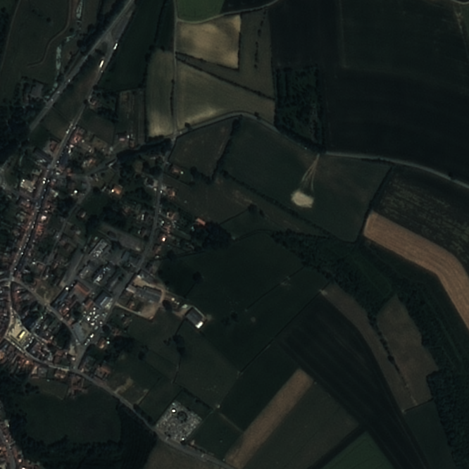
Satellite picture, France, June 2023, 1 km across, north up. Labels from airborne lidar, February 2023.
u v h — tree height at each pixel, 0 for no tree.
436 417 0
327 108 0
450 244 0
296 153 0
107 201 0
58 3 0
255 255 0
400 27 0
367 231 0
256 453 0
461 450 14
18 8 0
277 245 0
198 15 0
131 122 0
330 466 0
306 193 0
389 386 0
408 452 0
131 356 0
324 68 0
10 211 0
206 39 0
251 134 0
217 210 0
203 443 0
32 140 0
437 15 0
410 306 6
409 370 0
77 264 0
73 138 0
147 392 0
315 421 0
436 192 0
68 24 0
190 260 0
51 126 0
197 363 0
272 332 0
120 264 0
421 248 0
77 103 0
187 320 7
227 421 0
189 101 0
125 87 0
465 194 0
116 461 19
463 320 0
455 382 6
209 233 26
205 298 0
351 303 0
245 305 0
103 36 0
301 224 0
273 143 0
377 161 6
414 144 0
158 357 0
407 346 0
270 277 0
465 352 0
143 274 0
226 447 0
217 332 0
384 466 0
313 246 6
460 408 6
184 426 0
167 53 0
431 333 6
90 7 0
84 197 0
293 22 0
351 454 0
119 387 0
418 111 0
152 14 0
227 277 0
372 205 9
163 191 0
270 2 0
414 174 0
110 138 0
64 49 0
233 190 0
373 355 0
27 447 19
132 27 0
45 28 0
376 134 0
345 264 10
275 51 0
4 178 0
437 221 0
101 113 12
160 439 0
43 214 0
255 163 0
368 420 0
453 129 0
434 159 0
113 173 0
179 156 0
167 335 0
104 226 0
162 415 0
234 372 0
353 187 0
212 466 0
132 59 0
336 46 0
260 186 0
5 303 0
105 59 0
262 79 0
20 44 0
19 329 0
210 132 0
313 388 0
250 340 0
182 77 0
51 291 0
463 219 0
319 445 0
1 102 0
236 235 0
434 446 0
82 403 0
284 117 0
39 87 0
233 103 0
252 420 0
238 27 0
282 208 7
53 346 13
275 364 0
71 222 0
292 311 0
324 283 0
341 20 0
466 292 0
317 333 0
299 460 0
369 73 0
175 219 0
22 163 0
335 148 0
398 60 0
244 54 0
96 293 0
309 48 0
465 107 0
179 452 0
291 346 0
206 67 0
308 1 0
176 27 0
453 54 0
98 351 0
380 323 0
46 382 0
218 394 0
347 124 0
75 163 8
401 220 0
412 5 0
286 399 0
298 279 0
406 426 0
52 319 8
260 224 0
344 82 0
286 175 0
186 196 0
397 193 0
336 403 0
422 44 0
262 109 0
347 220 0
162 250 0
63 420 0
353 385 0
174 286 0
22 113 22
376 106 0
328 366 0
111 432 0
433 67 0
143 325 0
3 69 0
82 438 0
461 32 0
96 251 0
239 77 0
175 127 0
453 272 0
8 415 7
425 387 0
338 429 0
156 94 0
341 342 0
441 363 6
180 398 0
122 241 0
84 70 13
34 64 0
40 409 0
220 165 10
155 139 10
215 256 0
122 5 11
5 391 20
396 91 0
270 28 0
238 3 0
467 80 0
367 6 0
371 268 0
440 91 0
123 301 0
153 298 0
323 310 0
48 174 0
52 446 13
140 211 0
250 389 0
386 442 0
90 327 0
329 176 0
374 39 0
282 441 0
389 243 0
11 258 0
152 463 0
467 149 0
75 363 0
